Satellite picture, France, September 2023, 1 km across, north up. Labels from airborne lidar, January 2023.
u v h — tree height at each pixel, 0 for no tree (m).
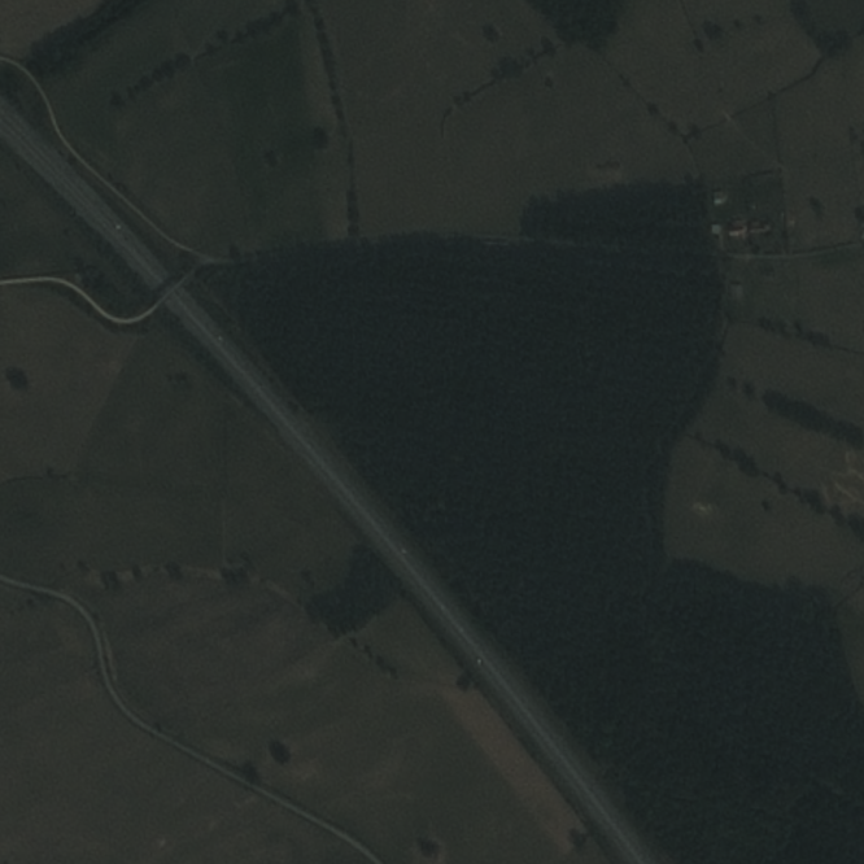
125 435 0
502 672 0
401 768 0
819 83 0
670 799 18
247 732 0
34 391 0
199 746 0
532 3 10
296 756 0
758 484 0
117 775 0
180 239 0
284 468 0
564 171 0
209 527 0
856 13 0
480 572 26
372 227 0
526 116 0
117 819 0
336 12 0
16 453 0
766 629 29
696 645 21
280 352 14
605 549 22
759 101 0
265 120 0
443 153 0
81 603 0
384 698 0
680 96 0
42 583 0
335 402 13
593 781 0
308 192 0
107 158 0
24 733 0
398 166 0
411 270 18
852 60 0
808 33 11
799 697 21
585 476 18
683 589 19
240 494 0
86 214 0
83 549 0
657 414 20
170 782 0
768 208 0
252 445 0
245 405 9
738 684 23
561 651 20
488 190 0
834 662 22
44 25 0
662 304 12
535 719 0
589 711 8
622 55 0
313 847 0
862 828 19
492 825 0
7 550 0
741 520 0
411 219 0
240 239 0
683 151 0
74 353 0
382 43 0
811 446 0
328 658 0
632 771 17
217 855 0
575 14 10
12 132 0
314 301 22
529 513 19
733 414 0
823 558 0
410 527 11
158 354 0
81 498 0
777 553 0
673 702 17
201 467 0
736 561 0
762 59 0
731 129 0
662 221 16
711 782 20
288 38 0
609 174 0
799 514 0
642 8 0
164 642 0
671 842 8
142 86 7
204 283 7
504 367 26
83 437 0
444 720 0
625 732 16
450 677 0
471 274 16
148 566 0
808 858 19
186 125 0
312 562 0
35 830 0
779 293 0
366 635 0
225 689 0
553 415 26
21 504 0
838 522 13
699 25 0
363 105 0
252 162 0
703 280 18
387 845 0
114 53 0
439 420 24
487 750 0
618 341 14
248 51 0
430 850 13
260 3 0
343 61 0
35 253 0
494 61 0
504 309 20
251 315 21
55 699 0
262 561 0
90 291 6
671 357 27
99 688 0
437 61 0
